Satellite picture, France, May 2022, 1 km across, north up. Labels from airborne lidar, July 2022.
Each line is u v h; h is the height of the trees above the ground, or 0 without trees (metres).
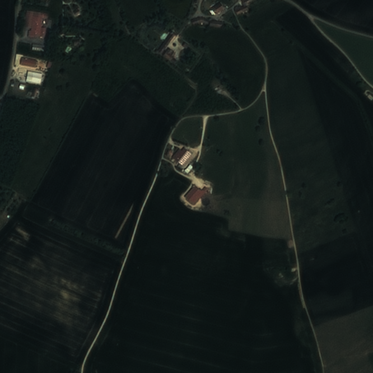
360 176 0
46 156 0
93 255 0
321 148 0
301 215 0
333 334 0
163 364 0
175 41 0
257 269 0
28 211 0
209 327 0
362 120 0
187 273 0
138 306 0
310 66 0
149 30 0
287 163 0
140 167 0
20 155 23
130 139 0
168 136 0
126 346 0
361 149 0
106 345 0
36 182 0
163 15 24
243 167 0
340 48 0
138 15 0
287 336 0
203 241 0
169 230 0
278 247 0
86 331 0
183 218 0
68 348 0
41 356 0
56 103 0
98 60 18
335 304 0
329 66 0
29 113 24
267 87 0
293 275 0
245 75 0
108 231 0
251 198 0
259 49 0
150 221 0
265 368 0
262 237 0
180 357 0
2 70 0
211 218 0
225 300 0
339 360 0
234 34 0
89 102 0
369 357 0
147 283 0
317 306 0
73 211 0
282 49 0
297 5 0
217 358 0
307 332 0
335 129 0
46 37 12
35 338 0
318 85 0
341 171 0
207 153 0
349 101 0
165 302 0
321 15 0
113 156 0
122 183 0
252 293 0
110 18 22
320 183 0
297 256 0
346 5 0
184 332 0
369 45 0
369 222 0
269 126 0
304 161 0
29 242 0
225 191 0
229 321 0
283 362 0
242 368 0
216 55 0
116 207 0
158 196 0
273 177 0
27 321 0
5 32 0
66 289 0
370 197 0
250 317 0
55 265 0
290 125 0
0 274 0
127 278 0
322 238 0
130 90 0
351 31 0
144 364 0
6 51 0
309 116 0
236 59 0
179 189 0
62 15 7
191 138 0
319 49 0
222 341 0
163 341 0
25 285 0
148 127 0
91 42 0
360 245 0
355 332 0
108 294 0
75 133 0
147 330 0
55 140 0
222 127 0
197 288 0
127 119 0
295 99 0
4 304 0
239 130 0
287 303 0
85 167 0
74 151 0
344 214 10
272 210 0
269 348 0
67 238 0
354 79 0
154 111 0
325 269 0
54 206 0
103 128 0
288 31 0
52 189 0
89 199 0
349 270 0
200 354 0
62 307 0
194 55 22
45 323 0
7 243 0
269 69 0
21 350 0
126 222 0
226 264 0
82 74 0
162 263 0
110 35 20
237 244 0
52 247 0
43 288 0
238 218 0
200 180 0
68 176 0
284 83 0
